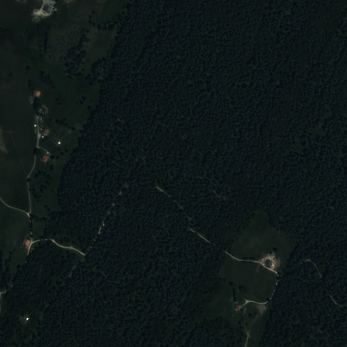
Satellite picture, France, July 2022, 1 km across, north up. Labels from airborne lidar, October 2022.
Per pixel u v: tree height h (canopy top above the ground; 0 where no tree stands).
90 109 18
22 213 0
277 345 18
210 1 25
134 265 18
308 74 10
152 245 21
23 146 0
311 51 18
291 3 20
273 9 33
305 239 20
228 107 27
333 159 28
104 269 25
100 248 21
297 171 24
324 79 29
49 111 0
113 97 23
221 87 17
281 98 19
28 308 7
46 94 0
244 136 31
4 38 0
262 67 28
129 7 10
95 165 28
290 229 30
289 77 22
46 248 11
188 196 16
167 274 30
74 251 0
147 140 8
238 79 28
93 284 24
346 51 27
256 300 0
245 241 0
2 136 0
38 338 14
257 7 23
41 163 0
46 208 11
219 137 19
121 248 22
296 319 18
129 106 27
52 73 0
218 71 21
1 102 0
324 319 22
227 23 17
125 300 23
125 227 24
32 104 0
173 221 30
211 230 22
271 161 18
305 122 27
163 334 19
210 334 19
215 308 0
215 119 15
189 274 27
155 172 30
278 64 23
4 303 0
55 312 19
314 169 19
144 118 32
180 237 27
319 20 19
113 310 22
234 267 0
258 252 0
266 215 0
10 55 0
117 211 22
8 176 0
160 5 29
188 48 23
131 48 18
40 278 9
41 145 0
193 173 21
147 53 28
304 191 17
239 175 34
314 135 0
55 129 0
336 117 28
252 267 0
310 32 17
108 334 17
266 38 20
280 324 16
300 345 29
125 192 28
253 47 16
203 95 21
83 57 23
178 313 14
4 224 0
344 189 28
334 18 22
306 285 25
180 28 25
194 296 20
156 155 29
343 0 17
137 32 21
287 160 27
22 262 0
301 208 19
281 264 0
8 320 13
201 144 17
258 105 22
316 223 20
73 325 19
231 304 0
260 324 0
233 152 27
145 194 16
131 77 16
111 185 30
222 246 18
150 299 22
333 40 28
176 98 20
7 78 0
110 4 0
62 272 20
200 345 26
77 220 14
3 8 0
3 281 10
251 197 16
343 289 22
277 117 16
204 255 25
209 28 19
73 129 9
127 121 15
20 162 0
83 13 0
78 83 0
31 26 0
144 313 26
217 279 20
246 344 0
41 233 0
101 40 0
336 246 13
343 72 22
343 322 23
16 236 0
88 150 23
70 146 0
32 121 0
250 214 18
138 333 25
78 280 21
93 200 29
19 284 12
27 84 0
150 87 23
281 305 24
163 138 20
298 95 22
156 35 33
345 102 27
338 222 18
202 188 21
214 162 22
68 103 0
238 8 17
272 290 0
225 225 17
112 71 25
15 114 0
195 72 23
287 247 0
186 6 26
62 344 17
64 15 0
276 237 0
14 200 0
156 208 20
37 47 0
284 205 19
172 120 27
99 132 21
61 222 20
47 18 0
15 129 0
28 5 0
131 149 11
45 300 7
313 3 31
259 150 20
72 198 11
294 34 15
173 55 19
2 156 0
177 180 33
